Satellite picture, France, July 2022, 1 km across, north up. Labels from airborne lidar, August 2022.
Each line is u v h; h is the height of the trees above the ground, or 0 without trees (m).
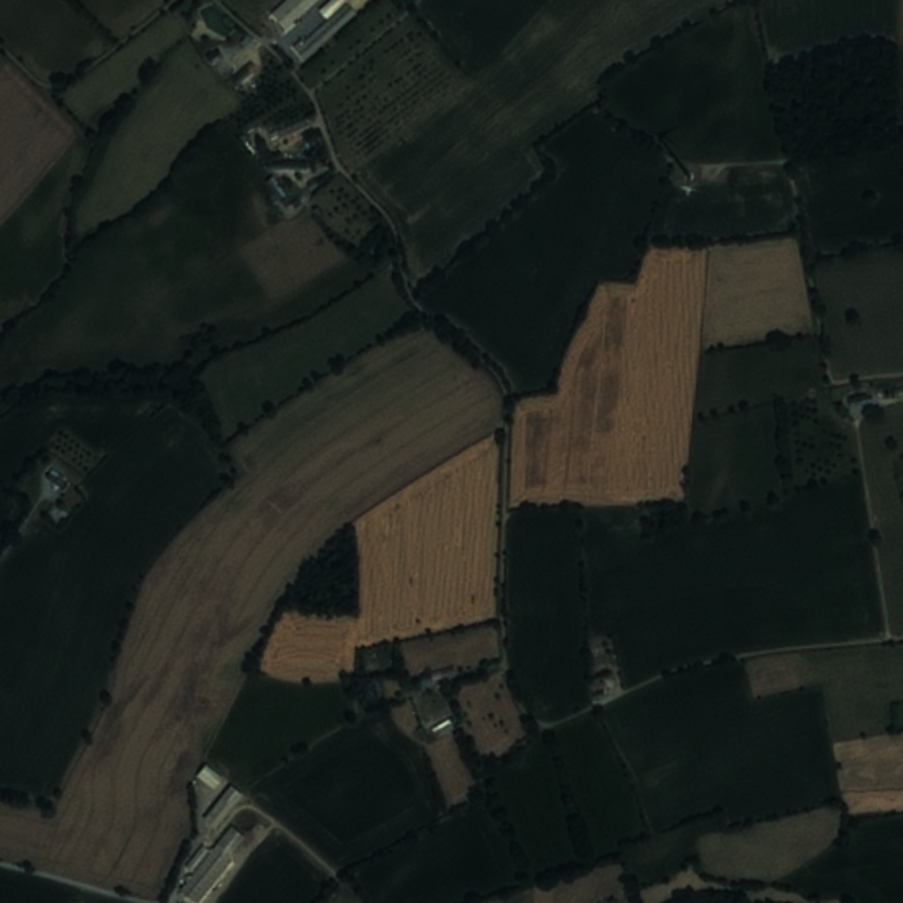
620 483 0
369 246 15
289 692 0
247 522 0
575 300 0
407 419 0
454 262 10
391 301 0
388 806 0
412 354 0
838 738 0
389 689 0
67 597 0
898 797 0
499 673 0
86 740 11
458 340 15
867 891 0
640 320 0
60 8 0
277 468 0
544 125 0
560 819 0
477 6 0
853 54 23
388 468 0
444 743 0
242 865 0
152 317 0
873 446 0
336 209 7
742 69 0
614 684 0
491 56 0
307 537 0
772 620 0
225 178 0
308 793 0
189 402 8
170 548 0
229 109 0
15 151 0
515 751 9
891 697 0
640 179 0
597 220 0
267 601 0
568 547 0
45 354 0
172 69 0
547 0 0
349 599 15
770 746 0
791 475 14
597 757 0
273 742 0
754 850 0
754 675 0
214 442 10
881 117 24
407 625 0
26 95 0
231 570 0
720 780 0
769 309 0
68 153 0
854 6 0
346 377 0
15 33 0
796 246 0
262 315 0
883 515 0
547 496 0
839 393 0
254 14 0
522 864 13
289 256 0
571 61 0
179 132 0
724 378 0
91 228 0
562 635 0
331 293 0
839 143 19
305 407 0
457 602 0
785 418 13
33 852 0
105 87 0
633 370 0
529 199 11
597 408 0
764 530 0
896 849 0
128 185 0
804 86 20
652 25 0
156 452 0
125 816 0
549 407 0
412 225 0
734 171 0
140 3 0
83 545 0
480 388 0
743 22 0
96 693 0
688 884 0
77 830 0
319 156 8
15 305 0
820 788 0
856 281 0
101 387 12
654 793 0
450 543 0
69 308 0
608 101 11
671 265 0
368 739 0
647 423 0
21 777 0
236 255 0
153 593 0
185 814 0
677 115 0
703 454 0
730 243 8
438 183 0
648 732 0
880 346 0
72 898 0
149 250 0
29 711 0
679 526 9
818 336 6
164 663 0
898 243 17
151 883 0
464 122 0
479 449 0
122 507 0
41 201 0
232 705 0
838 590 0
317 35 0
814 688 0
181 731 0
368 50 7
